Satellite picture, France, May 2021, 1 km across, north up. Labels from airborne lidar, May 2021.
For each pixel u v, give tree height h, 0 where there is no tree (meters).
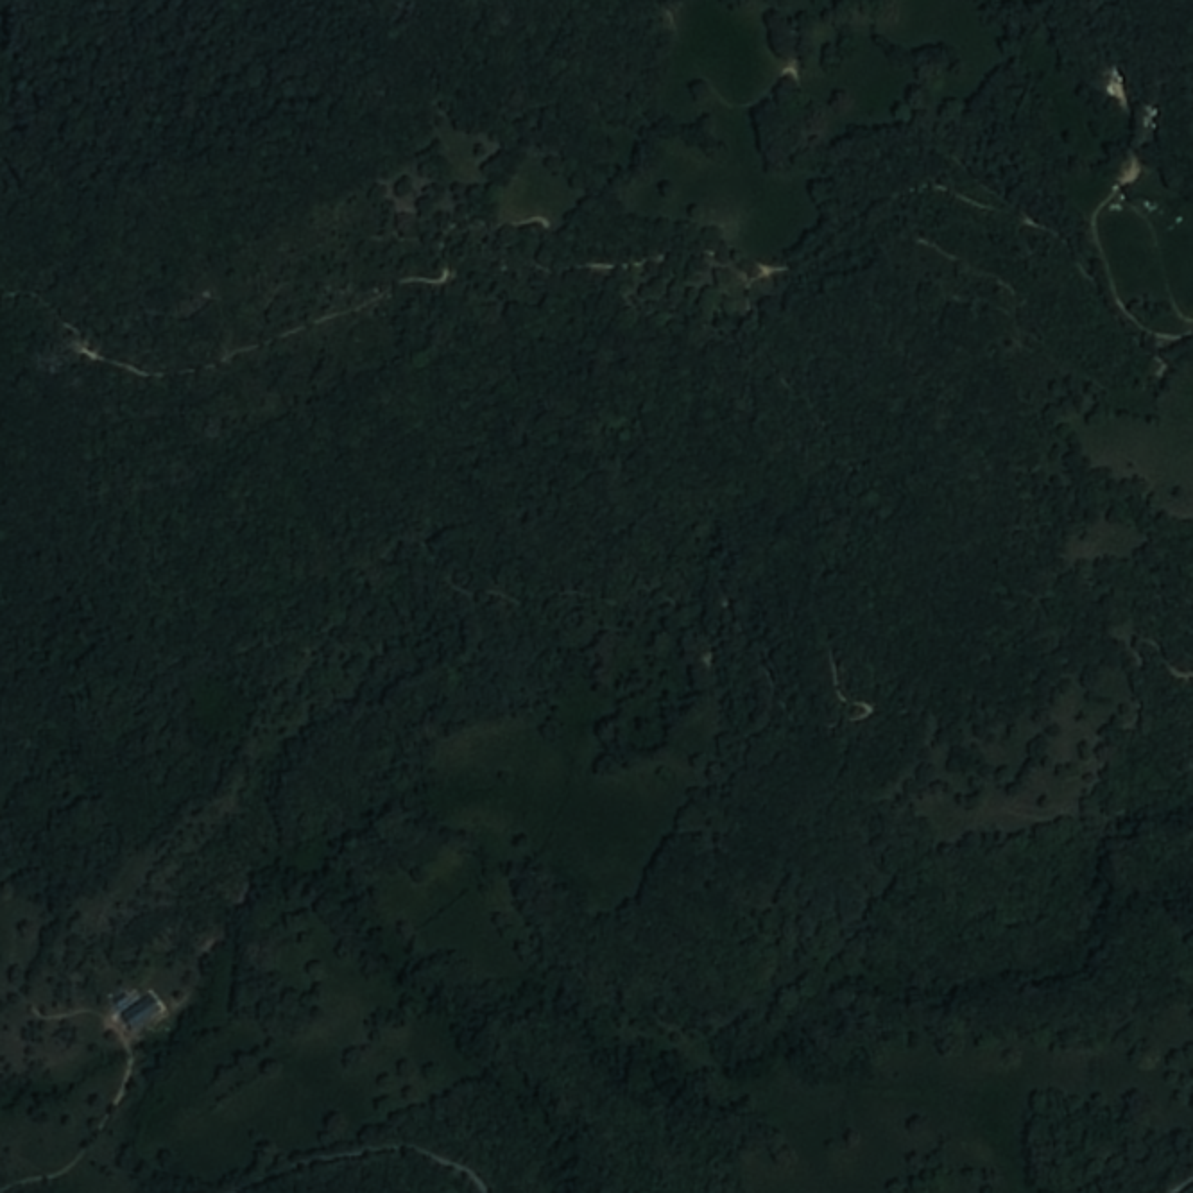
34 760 13
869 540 9
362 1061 10
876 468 9
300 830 14
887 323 6
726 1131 13
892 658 9
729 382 14
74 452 11
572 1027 9
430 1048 0
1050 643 11
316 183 11
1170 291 0
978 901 11
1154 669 10
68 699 13
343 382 7
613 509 11
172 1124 0
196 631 11
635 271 9
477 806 0
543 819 0
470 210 12
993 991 17
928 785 9
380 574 15
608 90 12
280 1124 0
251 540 8
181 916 8
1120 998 11
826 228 12
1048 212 13
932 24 0
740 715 10
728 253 8
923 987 16
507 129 14
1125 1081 0
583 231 10
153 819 9
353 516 11
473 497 12
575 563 11
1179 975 14
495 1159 9
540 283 11
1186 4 9
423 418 13
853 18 9
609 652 15
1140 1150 14
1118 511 10
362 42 14
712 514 12
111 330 6
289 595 11
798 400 8
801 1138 0
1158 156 10
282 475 9
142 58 17
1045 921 13
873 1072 5
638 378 10
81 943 7
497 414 9
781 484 12
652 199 0
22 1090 13
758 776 11
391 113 14
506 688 10
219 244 10
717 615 9
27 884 13
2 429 12
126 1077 0
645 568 14
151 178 14
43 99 18
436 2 17
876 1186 0
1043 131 13
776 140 12
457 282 7
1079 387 14
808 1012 20
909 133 16
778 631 10
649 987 14
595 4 14
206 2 18
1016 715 10
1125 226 0
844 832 9
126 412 8
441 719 13
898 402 12
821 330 6
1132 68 15
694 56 0
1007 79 10
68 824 17
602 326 6
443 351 7
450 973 12
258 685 10
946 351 11
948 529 6
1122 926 16
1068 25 16
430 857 16
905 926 10
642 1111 11
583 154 15
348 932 16
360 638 16
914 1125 11
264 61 11
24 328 11
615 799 0
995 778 7
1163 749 9
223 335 8
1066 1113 9
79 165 16
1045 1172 15
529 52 13
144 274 8
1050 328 8
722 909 12
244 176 16
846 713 9
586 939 9
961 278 10
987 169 10
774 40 13
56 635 14
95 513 9
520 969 0
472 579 9
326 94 19
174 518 8
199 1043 12
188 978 7
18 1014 0
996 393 10
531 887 16
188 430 6
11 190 21
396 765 11
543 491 11
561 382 11
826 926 10
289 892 12
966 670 10
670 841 14
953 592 10
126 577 8
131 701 10
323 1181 9
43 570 12
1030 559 7
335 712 14
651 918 12
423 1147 11
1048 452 6
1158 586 9
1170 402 0
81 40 19
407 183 11
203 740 10
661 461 7
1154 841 14
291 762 14
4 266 16
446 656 11
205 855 9
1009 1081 0
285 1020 12
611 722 16
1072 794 0
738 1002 12
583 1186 14
